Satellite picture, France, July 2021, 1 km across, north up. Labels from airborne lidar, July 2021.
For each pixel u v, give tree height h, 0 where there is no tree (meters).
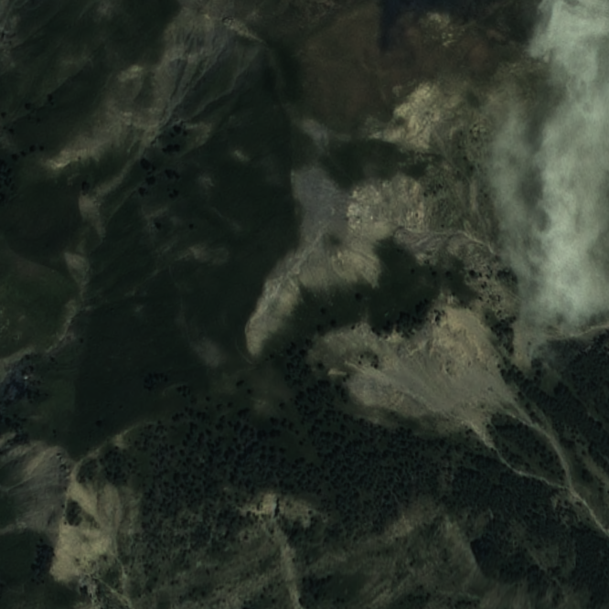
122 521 0
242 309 0
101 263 0
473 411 0
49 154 0
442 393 0
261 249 0
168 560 7
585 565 27
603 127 0
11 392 0
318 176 0
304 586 15
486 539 15
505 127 0
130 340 0
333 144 0
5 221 0
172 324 0
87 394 0
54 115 0
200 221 0
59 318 0
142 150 0
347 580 0
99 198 0
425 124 0
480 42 0
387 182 0
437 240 0
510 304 0
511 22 0
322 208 0
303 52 0
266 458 21
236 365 0
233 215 0
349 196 0
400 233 0
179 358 0
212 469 23
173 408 0
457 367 0
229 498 9
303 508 0
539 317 0
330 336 0
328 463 19
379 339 0
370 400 0
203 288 0
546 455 18
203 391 0
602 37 0
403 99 0
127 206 0
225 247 0
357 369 0
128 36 0
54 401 0
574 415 22
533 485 19
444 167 0
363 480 22
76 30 0
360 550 0
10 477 0
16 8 0
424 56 0
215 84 0
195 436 21
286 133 0
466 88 0
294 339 0
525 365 0
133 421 0
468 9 0
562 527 16
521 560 19
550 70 0
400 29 0
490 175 0
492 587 0
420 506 0
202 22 0
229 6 0
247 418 20
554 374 0
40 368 0
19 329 0
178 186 0
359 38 0
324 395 21
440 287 0
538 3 0
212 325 0
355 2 0
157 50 0
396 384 0
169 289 0
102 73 0
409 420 0
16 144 0
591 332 0
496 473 22
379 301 0
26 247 0
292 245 0
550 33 0
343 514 9
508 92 0
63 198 0
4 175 20
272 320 0
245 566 0
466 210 0
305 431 0
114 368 0
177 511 7
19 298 0
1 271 0
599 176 0
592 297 0
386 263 0
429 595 13
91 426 0
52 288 0
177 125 0
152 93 0
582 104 0
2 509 0
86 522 0
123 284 0
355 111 0
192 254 0
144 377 0
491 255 0
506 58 0
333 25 0
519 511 20
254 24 0
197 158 0
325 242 0
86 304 0
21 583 0
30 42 0
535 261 0
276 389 0
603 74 0
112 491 0
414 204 0
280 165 0
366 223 0
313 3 0
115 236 0
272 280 0
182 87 0
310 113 0
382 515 12
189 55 0
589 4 0
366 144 0
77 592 0
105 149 0
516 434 24
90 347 0
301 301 0
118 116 0
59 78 0
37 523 0
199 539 7
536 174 0
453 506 7
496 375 0
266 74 0
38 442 0
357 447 19
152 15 0
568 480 0
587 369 30
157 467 13
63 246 0
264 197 0
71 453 0
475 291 0
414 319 12
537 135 0
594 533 9
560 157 0
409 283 0
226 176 0
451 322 0
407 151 0
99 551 0
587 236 0
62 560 0
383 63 0
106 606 8
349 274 0
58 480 0
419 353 0
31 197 0
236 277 0
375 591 0
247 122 0
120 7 0
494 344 0
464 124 0
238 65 0
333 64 0
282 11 0
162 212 0
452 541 0
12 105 0
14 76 0
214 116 0
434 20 0
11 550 0
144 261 0
